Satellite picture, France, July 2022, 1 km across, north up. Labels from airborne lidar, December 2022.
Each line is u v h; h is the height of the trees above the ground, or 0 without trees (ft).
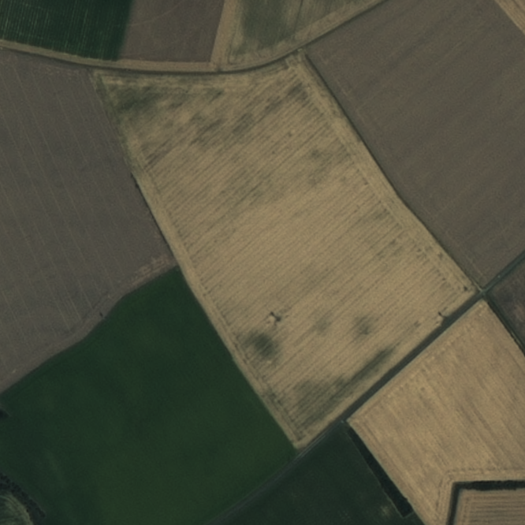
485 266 0
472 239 0
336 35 0
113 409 0
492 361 0
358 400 0
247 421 0
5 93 0
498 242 0
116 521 0
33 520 34
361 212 0
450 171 0
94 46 0
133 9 0
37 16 0
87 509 0
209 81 0
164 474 0
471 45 0
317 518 0
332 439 0
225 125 0
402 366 0
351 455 0
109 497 0
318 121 0
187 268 0
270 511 0
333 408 0
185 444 0
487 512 0
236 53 0
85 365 0
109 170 0
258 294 0
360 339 0
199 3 0
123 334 0
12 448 0
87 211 0
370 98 0
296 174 0
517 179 0
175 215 0
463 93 0
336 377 0
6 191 0
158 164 0
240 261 0
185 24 0
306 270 0
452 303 0
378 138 0
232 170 0
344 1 0
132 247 0
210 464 0
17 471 0
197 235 0
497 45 0
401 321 0
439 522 0
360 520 0
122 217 0
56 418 0
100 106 0
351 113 0
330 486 0
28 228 0
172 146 0
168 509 0
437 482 0
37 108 0
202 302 0
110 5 0
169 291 0
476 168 0
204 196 0
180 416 0
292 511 0
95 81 0
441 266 0
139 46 0
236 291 0
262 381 0
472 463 0
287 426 0
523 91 0
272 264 0
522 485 34
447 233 0
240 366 0
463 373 0
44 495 0
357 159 0
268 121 0
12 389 0
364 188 0
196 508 0
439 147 0
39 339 0
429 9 0
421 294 0
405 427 0
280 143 0
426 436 0
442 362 0
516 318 0
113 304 0
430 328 0
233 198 0
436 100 0
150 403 0
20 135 0
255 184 0
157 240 0
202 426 0
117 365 0
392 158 0
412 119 0
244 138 0
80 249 0
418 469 0
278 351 0
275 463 0
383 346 0
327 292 0
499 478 0
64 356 0
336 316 0
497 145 0
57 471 0
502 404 0
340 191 0
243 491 0
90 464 0
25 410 0
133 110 0
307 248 0
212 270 0
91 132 0
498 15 0
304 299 0
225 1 0
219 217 0
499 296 0
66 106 0
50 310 0
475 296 0
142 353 0
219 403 0
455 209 0
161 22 0
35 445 0
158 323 0
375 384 0
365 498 0
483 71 0
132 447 0
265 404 0
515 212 0
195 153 0
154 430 0
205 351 0
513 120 0
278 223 0
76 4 0
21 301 0
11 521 0
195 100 0
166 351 0
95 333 0
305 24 0
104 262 0
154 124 0
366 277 0
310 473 0
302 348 0
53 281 0
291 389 0
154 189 0
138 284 0
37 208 0
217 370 0
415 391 0
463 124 0
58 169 0
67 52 0
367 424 0
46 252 0
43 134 0
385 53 0
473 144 0
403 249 0
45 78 0
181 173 0
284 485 0
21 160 0
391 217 0
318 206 0
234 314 0
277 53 0
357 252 0
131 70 0
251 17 0
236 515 0
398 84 0
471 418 0
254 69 0
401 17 0
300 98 0
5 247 0
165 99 0
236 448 0
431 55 0
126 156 0
